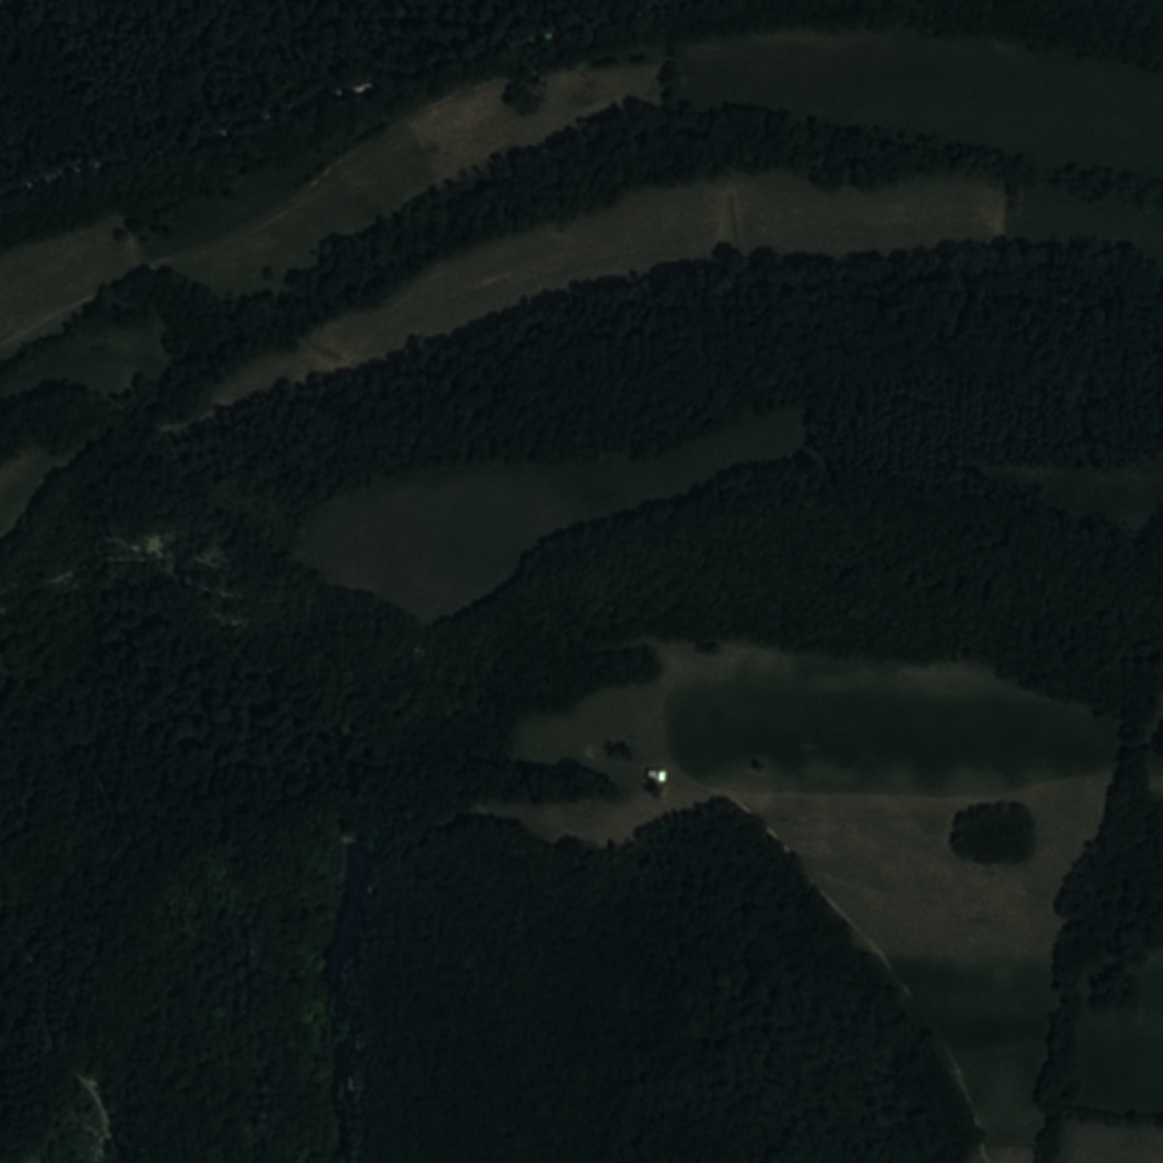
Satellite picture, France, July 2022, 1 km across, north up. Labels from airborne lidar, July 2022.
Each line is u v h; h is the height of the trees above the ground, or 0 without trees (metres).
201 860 27
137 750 18
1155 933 23
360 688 16
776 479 23
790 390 24
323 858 17
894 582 21
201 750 26
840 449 23
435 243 21
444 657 14
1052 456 25
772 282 26
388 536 0
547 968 13
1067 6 21
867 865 0
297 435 13
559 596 10
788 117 18
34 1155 13
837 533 21
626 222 0
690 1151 18
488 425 21
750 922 21
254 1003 19
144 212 19
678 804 0
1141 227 0
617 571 10
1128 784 19
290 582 16
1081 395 19
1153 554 18
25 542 24
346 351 0
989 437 28
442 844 21
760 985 19
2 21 27
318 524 0
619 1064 18
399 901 13
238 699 33
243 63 26
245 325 21
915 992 0
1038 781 0
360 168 0
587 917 16
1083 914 18
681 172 32
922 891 0
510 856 17
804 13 23
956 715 0
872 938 0
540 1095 14
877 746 0
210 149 21
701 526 15
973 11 28
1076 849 0
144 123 21
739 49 0
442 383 30
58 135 12
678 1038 20
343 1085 16
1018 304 22
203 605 19
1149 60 23
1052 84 0
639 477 0
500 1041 17
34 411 16
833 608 20
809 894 16
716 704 0
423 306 0
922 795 0
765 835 13
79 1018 17
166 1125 22
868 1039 26
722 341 28
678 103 10
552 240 0
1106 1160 0
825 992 24
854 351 27
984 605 18
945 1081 18
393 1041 13
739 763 0
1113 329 25
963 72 0
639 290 20
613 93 0
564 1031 16
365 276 16
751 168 20
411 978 17
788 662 0
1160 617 17
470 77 23
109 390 0
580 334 26
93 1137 7
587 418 21
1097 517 0
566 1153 18
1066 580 17
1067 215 0
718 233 0
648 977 19
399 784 31
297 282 23
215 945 9
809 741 0
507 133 0
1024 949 0
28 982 18
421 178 0
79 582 31
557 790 26
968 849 15
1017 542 19
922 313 28
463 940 16
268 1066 17
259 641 20
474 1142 20
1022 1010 0
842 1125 8
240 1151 18
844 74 0
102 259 0
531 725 0
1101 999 15
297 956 26
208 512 14
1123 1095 0
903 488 29
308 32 25
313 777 24
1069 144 0
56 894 23
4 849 17
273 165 18
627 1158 19
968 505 27
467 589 0
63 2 26
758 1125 11
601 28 22
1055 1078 19
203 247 0
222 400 0
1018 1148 0
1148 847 23
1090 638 20
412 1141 18
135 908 22
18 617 27
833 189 21
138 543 9
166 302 22
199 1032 15
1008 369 25
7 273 0
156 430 20
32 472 0
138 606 28
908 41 0
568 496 0
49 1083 14
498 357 28
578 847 20
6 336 0
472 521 0
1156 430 19
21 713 20
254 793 30
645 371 23
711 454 0
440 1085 18
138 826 25
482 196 24
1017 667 21
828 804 0
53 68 12
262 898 18
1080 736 0
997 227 0
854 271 25
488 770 29
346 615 17
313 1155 15
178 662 28
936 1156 12
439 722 29
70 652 14
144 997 16
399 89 22
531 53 15
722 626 20
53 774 25
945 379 20
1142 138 0
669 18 21
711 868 19
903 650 20
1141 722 17
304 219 0
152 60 24
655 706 0
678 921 23
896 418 25
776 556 18
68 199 23
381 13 27
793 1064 19
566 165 28
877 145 22
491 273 0
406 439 24
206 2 23
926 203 0
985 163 23
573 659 20
